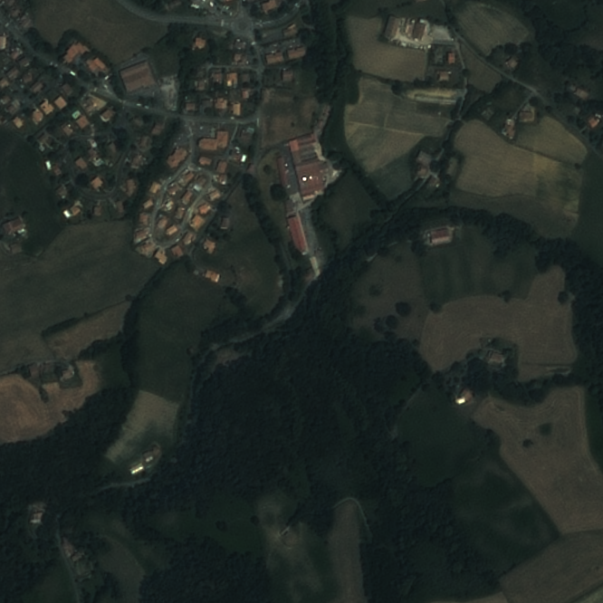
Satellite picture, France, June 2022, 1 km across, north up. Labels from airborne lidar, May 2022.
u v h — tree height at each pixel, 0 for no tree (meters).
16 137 0
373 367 17
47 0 0
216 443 25
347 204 0
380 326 14
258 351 20
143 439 0
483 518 0
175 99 0
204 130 0
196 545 14
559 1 0
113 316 0
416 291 0
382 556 25
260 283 0
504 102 0
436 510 26
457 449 0
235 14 0
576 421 0
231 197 0
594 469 0
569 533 0
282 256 15
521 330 0
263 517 0
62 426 17
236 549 0
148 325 0
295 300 22
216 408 28
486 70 0
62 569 0
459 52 0
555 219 0
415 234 15
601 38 0
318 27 20
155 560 0
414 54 0
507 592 0
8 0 0
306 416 17
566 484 0
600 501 0
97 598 10
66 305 0
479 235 0
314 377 15
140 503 17
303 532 0
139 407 0
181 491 24
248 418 17
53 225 0
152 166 11
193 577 20
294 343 24
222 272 0
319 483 9
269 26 0
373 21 0
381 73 0
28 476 16
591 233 0
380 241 19
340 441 8
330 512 22
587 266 12
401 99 0
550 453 0
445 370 0
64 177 8
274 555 0
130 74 0
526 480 0
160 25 0
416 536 18
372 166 0
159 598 19
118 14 0
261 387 17
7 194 0
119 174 0
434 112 0
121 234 0
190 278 0
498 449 0
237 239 0
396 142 0
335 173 0
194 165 0
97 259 0
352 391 28
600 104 15
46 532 19
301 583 0
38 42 12
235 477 13
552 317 0
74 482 23
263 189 0
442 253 0
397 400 0
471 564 9
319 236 0
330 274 23
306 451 18
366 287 0
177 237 0
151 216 0
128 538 0
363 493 7
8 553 31
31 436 0
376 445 28
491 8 0
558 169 0
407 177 0
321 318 28
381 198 11
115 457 0
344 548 0
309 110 0
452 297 0
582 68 10
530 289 0
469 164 0
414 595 15
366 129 0
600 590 0
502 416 0
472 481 0
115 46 0
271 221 24
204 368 14
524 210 0
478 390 21
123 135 21
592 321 24
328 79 25
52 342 0
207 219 0
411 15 0
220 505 0
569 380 14
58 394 0
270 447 13
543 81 0
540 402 11
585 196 0
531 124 0
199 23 0
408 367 19
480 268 0
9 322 0
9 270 0
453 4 0
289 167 0
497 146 0
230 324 20
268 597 6
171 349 0
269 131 0
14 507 36
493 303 0
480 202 0
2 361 0
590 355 11
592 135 10
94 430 15
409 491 13
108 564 0
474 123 0
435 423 0
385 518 12
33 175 0
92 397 9
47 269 0
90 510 11
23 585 22
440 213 9
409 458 15
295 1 24
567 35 13
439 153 7
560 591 0
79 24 0
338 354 20
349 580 0
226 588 16
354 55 14
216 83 6
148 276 0
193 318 0
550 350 0
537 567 0
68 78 19
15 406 0
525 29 0
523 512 0
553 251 17
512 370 13
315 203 8
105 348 19
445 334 0
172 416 0
